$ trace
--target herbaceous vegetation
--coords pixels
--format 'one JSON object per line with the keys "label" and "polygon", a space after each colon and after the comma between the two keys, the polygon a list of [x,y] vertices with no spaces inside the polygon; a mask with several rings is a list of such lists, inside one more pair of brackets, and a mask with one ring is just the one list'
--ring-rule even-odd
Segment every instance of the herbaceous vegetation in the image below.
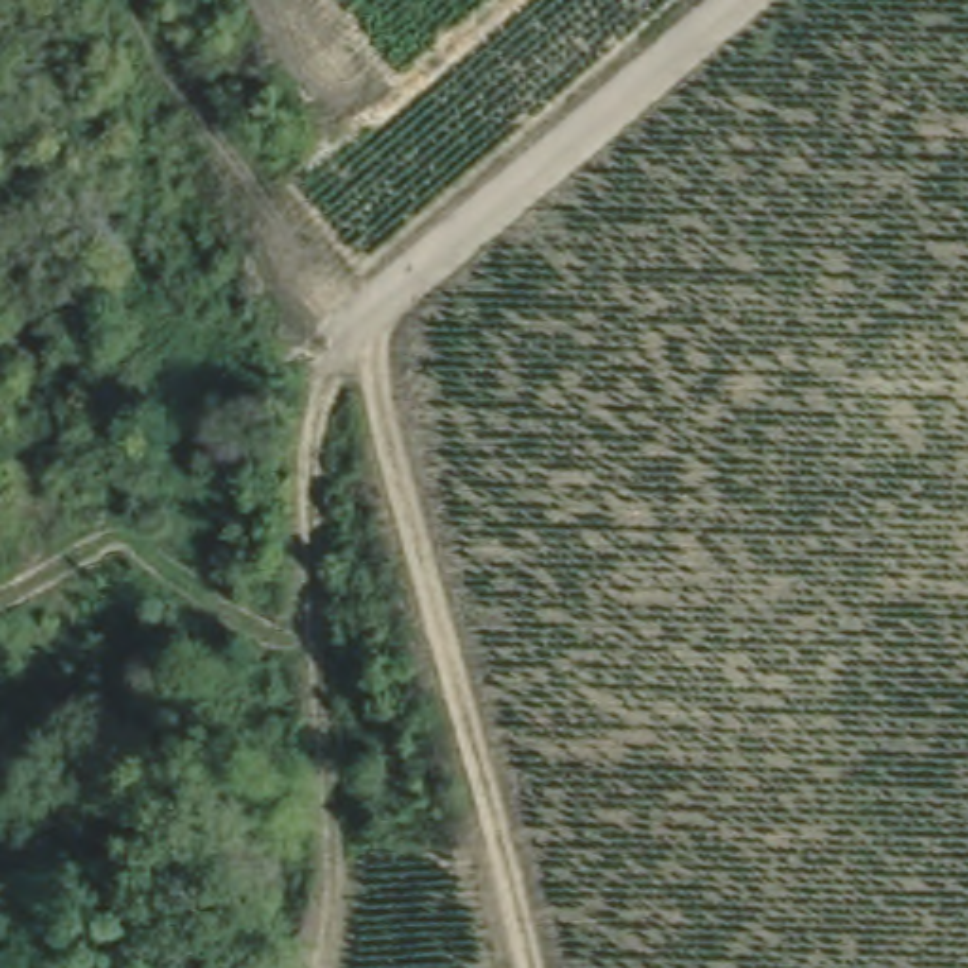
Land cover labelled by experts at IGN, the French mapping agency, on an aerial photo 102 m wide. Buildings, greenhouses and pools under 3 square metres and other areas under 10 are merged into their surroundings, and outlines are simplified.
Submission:
{"label": "herbaceous vegetation", "polygon": [[378,106],[389,95],[386,83],[397,72],[359,30],[355,15],[337,0],[246,0],[250,19],[261,23],[261,57],[295,76],[295,91],[303,106],[314,113],[318,147],[306,155],[306,166],[314,170],[340,147],[355,144],[363,129],[371,129],[359,110]]}
{"label": "herbaceous vegetation", "polygon": [[374,284],[401,253],[408,253],[442,219],[450,219],[469,197],[476,197],[492,178],[499,178],[552,129],[560,129],[582,102],[609,87],[650,45],[631,34],[609,38],[605,53],[590,68],[582,68],[537,113],[522,113],[503,144],[495,144],[480,163],[473,163],[424,212],[408,216],[401,231],[371,253],[359,253],[355,246],[340,242],[333,223],[303,189],[299,182],[284,182],[272,216],[253,227],[257,242],[265,242],[272,253],[284,295],[303,303],[321,276],[344,280],[355,291]]}
{"label": "herbaceous vegetation", "polygon": [[473,915],[480,968],[514,968],[476,813],[461,824],[450,870],[458,877],[458,900]]}
{"label": "herbaceous vegetation", "polygon": [[136,586],[144,601],[144,620],[170,624],[182,609],[193,605],[219,616],[219,624],[231,631],[231,643],[253,643],[257,650],[280,654],[295,654],[303,647],[295,635],[299,579],[284,586],[280,613],[238,609],[234,597],[204,590],[193,567],[193,522],[182,510],[159,510],[136,526],[121,526],[113,514],[102,514],[95,529],[76,545],[53,533],[42,556],[26,560],[15,575],[0,579],[0,620],[26,613],[30,647],[49,647],[64,624],[83,620],[106,605],[106,586],[125,582]]}

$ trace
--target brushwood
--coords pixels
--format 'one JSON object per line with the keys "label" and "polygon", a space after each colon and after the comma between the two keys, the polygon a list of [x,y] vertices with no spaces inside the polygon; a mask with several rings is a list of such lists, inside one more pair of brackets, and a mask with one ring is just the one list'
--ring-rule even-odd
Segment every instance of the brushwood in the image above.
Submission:
{"label": "brushwood", "polygon": [[0,620],[0,647],[8,650],[11,673],[26,669],[30,647],[26,613]]}
{"label": "brushwood", "polygon": [[8,378],[0,382],[0,579],[15,575],[26,560],[42,556],[53,533],[76,545],[95,529],[102,514],[113,514],[121,526],[136,526],[159,510],[182,510],[182,473],[174,469],[170,450],[140,461],[117,435],[72,465],[45,469],[45,495],[30,495],[26,473],[15,461],[26,442],[19,439],[15,405],[30,389],[30,363],[8,363]]}

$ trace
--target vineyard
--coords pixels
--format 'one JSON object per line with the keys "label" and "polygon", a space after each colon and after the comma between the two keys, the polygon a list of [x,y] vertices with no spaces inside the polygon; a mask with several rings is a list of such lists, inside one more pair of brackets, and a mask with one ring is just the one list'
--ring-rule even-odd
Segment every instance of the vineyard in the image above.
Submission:
{"label": "vineyard", "polygon": [[408,216],[424,212],[473,163],[480,163],[495,144],[503,144],[522,113],[537,113],[582,68],[590,68],[605,53],[609,38],[631,34],[650,45],[703,0],[337,0],[355,15],[359,30],[397,72],[386,83],[389,95],[378,106],[359,110],[371,129],[363,129],[355,144],[340,147],[314,170],[310,185],[303,189],[333,223],[340,242],[355,246],[359,253],[371,253],[401,231]]}
{"label": "vineyard", "polygon": [[473,700],[499,775],[499,794],[510,821],[522,881],[529,892],[533,926],[541,942],[537,968],[968,968],[968,0],[775,0],[737,38],[722,42],[722,49],[711,61],[703,61],[703,68],[696,68],[688,79],[666,91],[666,98],[654,102],[639,121],[631,121],[605,151],[582,163],[548,197],[529,204],[469,265],[454,268],[439,287],[420,295],[393,321],[389,333],[397,424],[412,484],[420,495],[420,510],[427,522],[427,537],[435,548],[446,609],[458,631]]}
{"label": "vineyard", "polygon": [[355,843],[344,843],[352,896],[344,926],[344,960],[337,968],[480,968],[473,915],[458,900],[458,877],[450,870],[424,862],[420,855],[374,851],[367,832]]}

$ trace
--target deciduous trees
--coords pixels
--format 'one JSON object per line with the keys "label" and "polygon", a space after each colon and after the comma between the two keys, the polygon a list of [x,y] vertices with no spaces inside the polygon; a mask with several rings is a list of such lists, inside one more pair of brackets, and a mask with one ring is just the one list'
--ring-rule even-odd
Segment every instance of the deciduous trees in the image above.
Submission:
{"label": "deciduous trees", "polygon": [[174,643],[159,666],[159,696],[200,700],[216,715],[216,722],[223,722],[216,741],[265,752],[268,771],[276,775],[314,768],[303,752],[306,726],[299,711],[303,700],[318,696],[321,673],[306,647],[303,647],[295,654],[280,654],[257,650],[253,643],[231,643],[216,654],[200,643]]}
{"label": "deciduous trees", "polygon": [[15,760],[8,790],[0,790],[0,839],[15,847],[26,843],[38,817],[76,798],[76,779],[61,768],[61,760],[95,741],[98,696],[76,696],[64,707],[57,707],[30,741],[26,756]]}

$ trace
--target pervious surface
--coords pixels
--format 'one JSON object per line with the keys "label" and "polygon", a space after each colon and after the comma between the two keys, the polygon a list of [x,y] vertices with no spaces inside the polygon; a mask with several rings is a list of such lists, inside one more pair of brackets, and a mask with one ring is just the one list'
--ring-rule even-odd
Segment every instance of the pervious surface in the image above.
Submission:
{"label": "pervious surface", "polygon": [[318,836],[318,877],[310,908],[303,915],[303,938],[318,942],[321,953],[306,968],[337,968],[344,960],[344,926],[352,896],[344,843],[340,824]]}
{"label": "pervious surface", "polygon": [[291,344],[284,352],[284,359],[303,359],[310,367],[306,408],[295,442],[295,473],[284,484],[284,503],[295,510],[287,556],[299,563],[299,579],[295,635],[303,647],[306,647],[314,635],[329,628],[325,560],[337,545],[337,518],[325,518],[318,526],[318,514],[310,507],[310,480],[318,476],[318,450],[340,386],[359,386],[371,454],[378,461],[382,492],[393,510],[405,567],[420,605],[420,624],[435,654],[439,692],[450,715],[454,745],[476,813],[514,968],[537,968],[541,942],[533,926],[529,892],[522,881],[510,821],[499,794],[499,775],[473,700],[458,631],[446,609],[435,548],[427,537],[427,522],[420,510],[420,495],[412,484],[397,424],[389,333],[393,321],[420,295],[439,287],[454,268],[469,265],[529,204],[548,197],[582,163],[605,151],[631,121],[639,121],[654,102],[666,98],[666,91],[688,79],[696,68],[703,68],[703,61],[711,61],[722,49],[722,42],[737,38],[775,0],[703,0],[650,45],[609,87],[582,102],[560,129],[552,129],[499,178],[492,178],[476,197],[469,197],[450,219],[442,219],[408,253],[401,253],[374,284],[355,291],[344,280],[321,276],[303,303],[314,314],[325,348]]}

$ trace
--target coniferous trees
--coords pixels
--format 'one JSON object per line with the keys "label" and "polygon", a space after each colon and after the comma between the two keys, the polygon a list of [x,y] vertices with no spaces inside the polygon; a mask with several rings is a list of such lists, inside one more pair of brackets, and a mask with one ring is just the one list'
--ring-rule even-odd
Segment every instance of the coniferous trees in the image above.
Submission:
{"label": "coniferous trees", "polygon": [[136,586],[125,582],[106,586],[106,605],[83,620],[64,624],[49,647],[30,647],[26,669],[11,673],[8,650],[0,647],[0,790],[8,790],[15,760],[26,756],[30,741],[57,707],[64,707],[76,696],[98,696],[95,741],[61,760],[61,768],[76,779],[76,798],[38,817],[26,843],[15,847],[0,839],[0,968],[306,968],[321,953],[318,942],[303,938],[303,915],[310,908],[318,877],[318,836],[340,824],[344,843],[355,843],[367,832],[374,851],[420,855],[424,862],[450,870],[461,824],[476,813],[454,745],[450,715],[439,692],[435,654],[420,624],[420,605],[405,567],[393,510],[382,492],[378,461],[371,454],[359,386],[340,386],[318,450],[318,476],[310,480],[310,507],[318,514],[318,526],[325,518],[337,518],[337,545],[325,560],[329,628],[314,635],[306,647],[321,673],[318,696],[303,700],[299,711],[306,726],[303,752],[314,768],[276,775],[268,771],[265,752],[216,741],[223,722],[216,722],[216,715],[200,700],[159,696],[159,666],[174,643],[200,643],[216,654],[231,643],[231,631],[219,624],[219,616],[193,605],[182,609],[170,624],[144,620],[144,601]]}
{"label": "coniferous trees", "polygon": [[310,367],[303,359],[284,359],[284,352],[291,344],[325,348],[314,314],[303,303],[284,295],[272,253],[265,242],[257,242],[253,227],[272,216],[284,182],[299,182],[303,189],[310,185],[314,170],[306,166],[306,155],[318,147],[314,113],[303,106],[295,91],[295,76],[261,57],[261,23],[250,19],[246,0],[0,0],[0,382],[8,378],[8,363],[30,363],[30,389],[15,405],[19,439],[26,442],[15,461],[26,473],[30,495],[45,495],[45,469],[72,465],[117,435],[140,461],[170,450],[174,469],[182,473],[182,510],[193,522],[193,567],[204,590],[234,597],[238,609],[280,613],[284,586],[299,579],[299,563],[287,556],[295,510],[284,503],[284,484],[295,473],[295,442],[306,408]]}

